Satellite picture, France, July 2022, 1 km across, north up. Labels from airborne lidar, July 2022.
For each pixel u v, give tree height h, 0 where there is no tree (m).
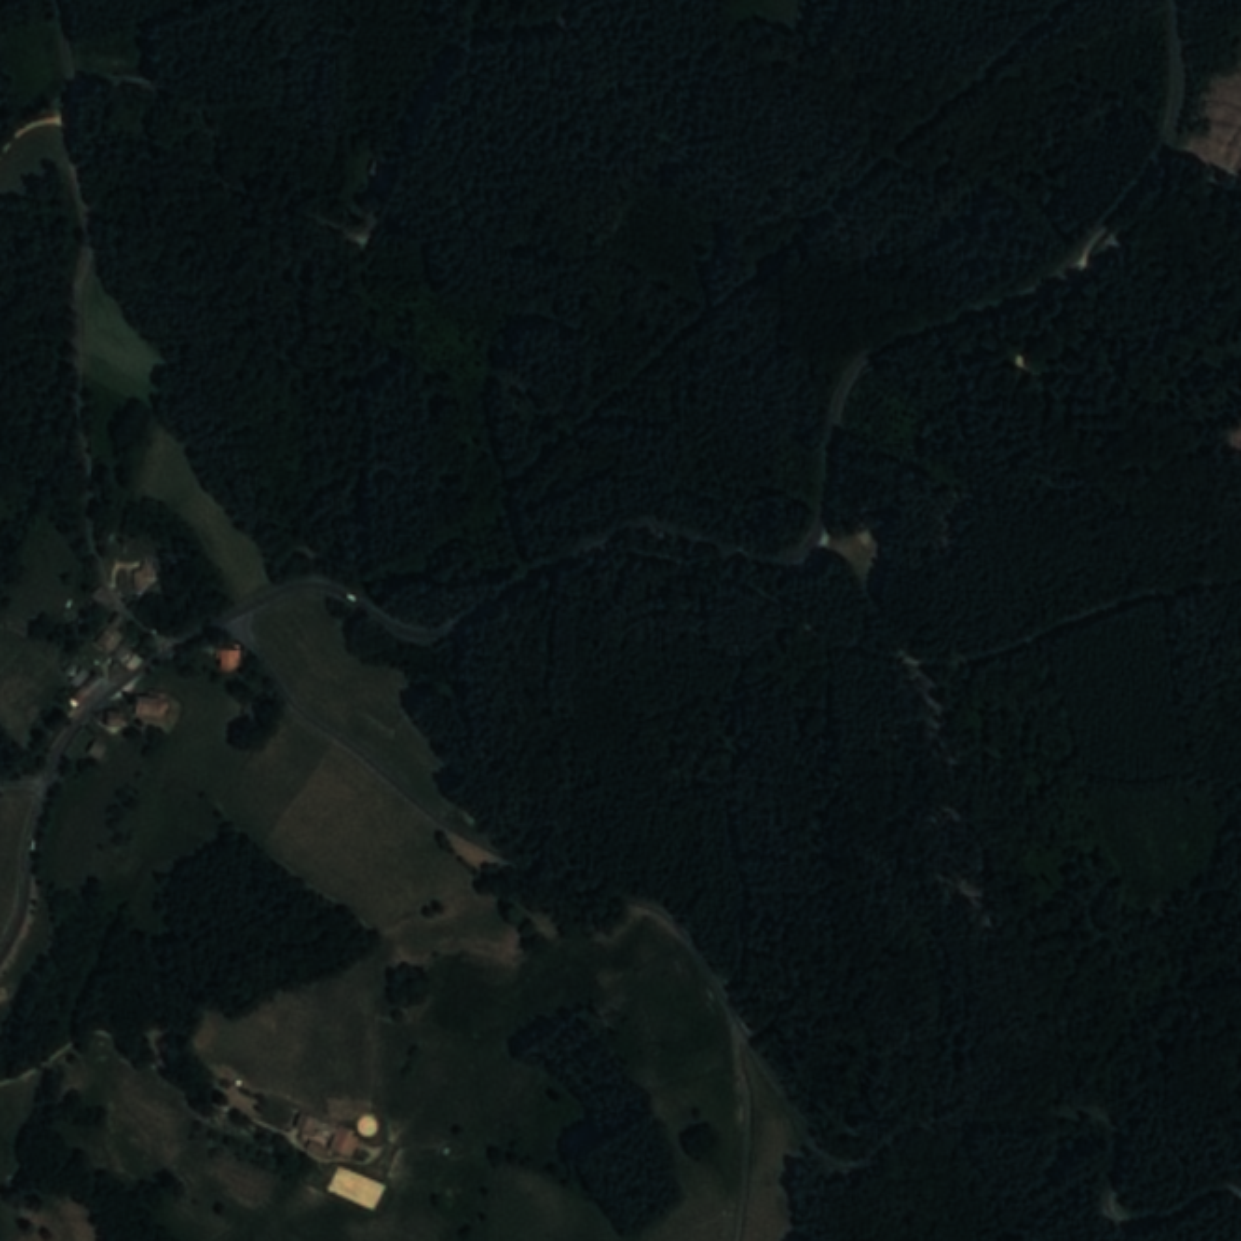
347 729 0
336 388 12
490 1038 0
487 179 36
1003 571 23
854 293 31
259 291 20
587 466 19
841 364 13
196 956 15
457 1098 0
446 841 12
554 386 30
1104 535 15
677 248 7
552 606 22
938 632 26
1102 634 17
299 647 0
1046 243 35
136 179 27
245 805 0
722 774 19
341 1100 0
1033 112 17
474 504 17
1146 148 27
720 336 19
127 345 0
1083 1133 18
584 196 23
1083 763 17
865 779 20
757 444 26
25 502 8
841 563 29
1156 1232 30
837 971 21
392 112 7
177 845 0
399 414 33
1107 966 21
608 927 26
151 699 0
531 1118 0
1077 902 25
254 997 21
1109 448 23
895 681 33
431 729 29
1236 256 27
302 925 16
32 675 0
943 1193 19
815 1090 9
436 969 0
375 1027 0
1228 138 0
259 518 16
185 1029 18
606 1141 41
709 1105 0
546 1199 0
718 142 40
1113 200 28
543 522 32
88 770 13
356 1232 0
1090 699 19
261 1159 9
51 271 20
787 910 33
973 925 26
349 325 21
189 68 31
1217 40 14
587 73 28
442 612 22
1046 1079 23
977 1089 27
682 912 19
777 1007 11
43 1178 20
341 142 10
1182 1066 26
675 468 33
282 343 22
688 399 18
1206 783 27
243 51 36
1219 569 18
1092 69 8
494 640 30
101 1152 0
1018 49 25
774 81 29
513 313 8
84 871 0
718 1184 0
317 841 0
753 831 25
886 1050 22
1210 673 33
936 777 22
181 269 23
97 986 26
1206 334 22
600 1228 0
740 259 36
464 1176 0
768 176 31
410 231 31
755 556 19
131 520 6
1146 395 22
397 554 33
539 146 34
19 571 20
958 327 22
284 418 17
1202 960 25
